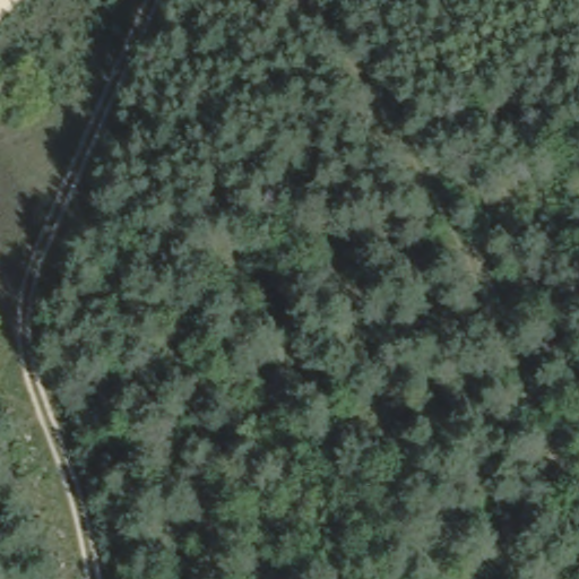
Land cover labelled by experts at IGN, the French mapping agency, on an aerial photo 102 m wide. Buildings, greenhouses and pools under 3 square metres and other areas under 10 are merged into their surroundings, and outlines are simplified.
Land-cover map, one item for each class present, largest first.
<instances>
[{"label":"coniferous trees","instance_id":"1","mask_svg":"<svg viewBox=\"0 0 579 579\"><path fill-rule=\"evenodd\" d=\"M165 16L172 23V32H161L152 41V45L136 47V57L131 59L136 75L133 84L118 93V145L113 147V152L97 158V165L93 170V176H97V181L90 201L93 206L104 210L106 224L102 228H88L84 231V235L75 240L72 253L66 260L61 287L54 290L50 299L41 301V310L36 314L38 330L43 335L38 346L41 364L34 373H29L32 380L43 382L52 409L57 414L59 437L54 441L61 448V466L70 491L77 500L84 534L93 541V547L97 552V559H86L90 579H122L118 574V565L131 563L138 552L131 538H158L163 527L170 529V536L176 545L179 579H226L224 570L217 563V554L231 552L226 547V538L228 532L237 529V520H222L217 516V507L226 504L222 500L224 479L208 482L204 475H192L190 484L179 482V473L181 468H185L183 452L188 439L199 437L215 446L224 457H228L244 441V437H256V448L247 452V459L262 464L271 450L296 446V437L280 427L278 407H285L292 414L305 409L310 416L312 437L323 439L330 423L323 396L335 394L337 389H348L366 403L355 414L357 418H362L360 430L378 441H387V446H398L403 455L400 470L391 482H387V489L382 493V502L387 507L384 511L378 513L366 500L344 504L332 511V516L346 525V536L360 532L366 525L371 527L396 520V532L391 536L398 538V547L384 552V556L389 559L391 579H412L416 568L430 563L432 559L437 561L439 570L448 572L461 556H468L477 568V572L470 579H579V452H572V437L559 427L545 434L541 425H536L529 434H520V421H511L509 412L522 396L527 398L529 407L536 409L543 407L550 398H563L565 387L579 384V251L572 258L561 256V233L568 228H579V172H574L570 183H554V158L538 142V136L554 118L559 124L565 127L563 138H568L570 142L579 140V0H167ZM280 199L301 201L296 213L299 226H305L310 233L328 235V244L332 251V260L328 265H317L312 269L294 267L283 274L278 271V260L274 253L262 256L260 251H244L235 240H231V235L226 233L224 215L242 217L249 208L260 213H274ZM208 249L226 260V271L233 280V292L228 290L215 296V290H204L195 278L199 262ZM210 328L224 339L222 346L233 378L213 382L210 371L190 373V366L185 364L181 344L190 337L204 342ZM113 412L127 416L129 423H138L136 441L113 437L97 443L95 448L79 441L90 430L109 427ZM47 536L38 529L32 507L20 500V495L11 493L9 486H0V565L20 568L25 572L27 568L41 563L45 556L43 547ZM256 579H337L335 568L330 563L323 568L317 561L310 563L308 556H299L287 565H271L267 559H258Z\"/></svg>","mask_w":579,"mask_h":579},{"label":"deciduous trees","instance_id":"2","mask_svg":"<svg viewBox=\"0 0 579 579\"><path fill-rule=\"evenodd\" d=\"M565 127L559 124L554 118L538 136V142L554 158V183H570L574 172H579V140L570 142L568 138H563ZM301 201L280 199L274 213H260L249 208L242 217L224 215L226 233L231 235V240H235L244 251H260L262 256L274 253L278 260V271L283 274L294 267L312 269L317 265H328L332 260V251L328 244V235L310 233L305 226H299L296 213ZM579 251V228H568L561 233V256L572 258ZM195 278L204 290H215V296L228 290L233 292V280L226 271V260L208 249L199 262ZM224 339L210 328L204 342L190 337L181 344L185 364L190 366V373L210 371L213 382L233 378L222 346ZM511 421H520V434H529L536 425H541L545 434L559 427L572 437V452H579V384L565 387L563 398H550L543 407L536 409L529 407L527 398L522 396L509 412ZM330 423L323 439L312 437L310 416L305 409L292 414L285 407H278L280 427L296 437V446L271 450L262 464L247 459V452L256 448V437H244V441L228 457H224L215 446L199 437L188 439L183 452L185 468H181L179 473V482L190 484L192 475H204L208 482L224 479L222 500L226 504L217 507V516L222 520H237V529L228 532L226 538V547L231 552L217 554V563L224 570L226 579H256L258 559H267L271 565H287L299 556H308L310 563L317 561L323 568L330 563L335 568L337 579H391L389 559L384 556V552L398 547V538L391 536L396 532V520L371 527L366 525L360 532L346 536V525L332 516V511L344 504L366 500L378 513L384 511L387 507L382 502V493L387 489V482H391L400 470L403 455L398 446H387V441H378L360 430L362 418H357L355 414L366 403L348 389H337L335 394L323 396ZM138 423H129L127 416L113 412L109 427L90 430L79 441L95 448L97 443L113 437L136 441ZM138 552L131 563L118 565V574L122 579H179L176 545L170 536V529L163 527L158 538H131ZM477 572V568L468 556H461L448 572L439 570L437 561L432 559L430 563L416 568L412 579H470Z\"/></svg>","mask_w":579,"mask_h":579},{"label":"herbaceous vegetation","instance_id":"3","mask_svg":"<svg viewBox=\"0 0 579 579\"><path fill-rule=\"evenodd\" d=\"M167 0H118L111 7H97L84 20L90 38V47L84 57V63L90 72V86L86 88L88 97L81 102L84 109L79 113H75L72 106H63V111H50L43 118V122L25 131H11L9 127L0 129V486H9L11 493L20 495V500L32 507L38 529L47 536L43 547L45 556L41 563L27 568L25 572L20 568L0 565V579H90L86 559L79 556L70 509L66 502V495L70 491L61 466L52 461L41 425L32 409V400L23 384L20 375L25 371L29 373H34L41 364L38 346L43 335L38 330L36 314L41 310V301L50 299L54 290L61 287L66 260L72 253L75 240L84 235V231L88 228H102L106 224L104 210L93 206L90 201L97 181V176H93V170L97 165V158L113 152V147L118 145V93L133 84L136 75L131 59L136 57V47L152 45V41L161 32H172V23L165 16Z\"/></svg>","mask_w":579,"mask_h":579},{"label":"brushwood","instance_id":"4","mask_svg":"<svg viewBox=\"0 0 579 579\"><path fill-rule=\"evenodd\" d=\"M118 0H0V129L9 127L11 131H25L43 122V118L50 111H63V106H72L75 113H79L84 109L81 102L88 97L86 88L90 86V72L84 63V57L90 47V38L84 20L97 7H111Z\"/></svg>","mask_w":579,"mask_h":579},{"label":"pervious surface","instance_id":"5","mask_svg":"<svg viewBox=\"0 0 579 579\"><path fill-rule=\"evenodd\" d=\"M23 384L32 400V409L41 425L52 461L61 466V448L54 441L59 437L57 414L52 409L43 382L32 380L29 373L25 371L20 375ZM66 502L70 509L79 556L86 559H97V552L93 547V541L84 534L77 500L70 491L66 495Z\"/></svg>","mask_w":579,"mask_h":579}]
</instances>
